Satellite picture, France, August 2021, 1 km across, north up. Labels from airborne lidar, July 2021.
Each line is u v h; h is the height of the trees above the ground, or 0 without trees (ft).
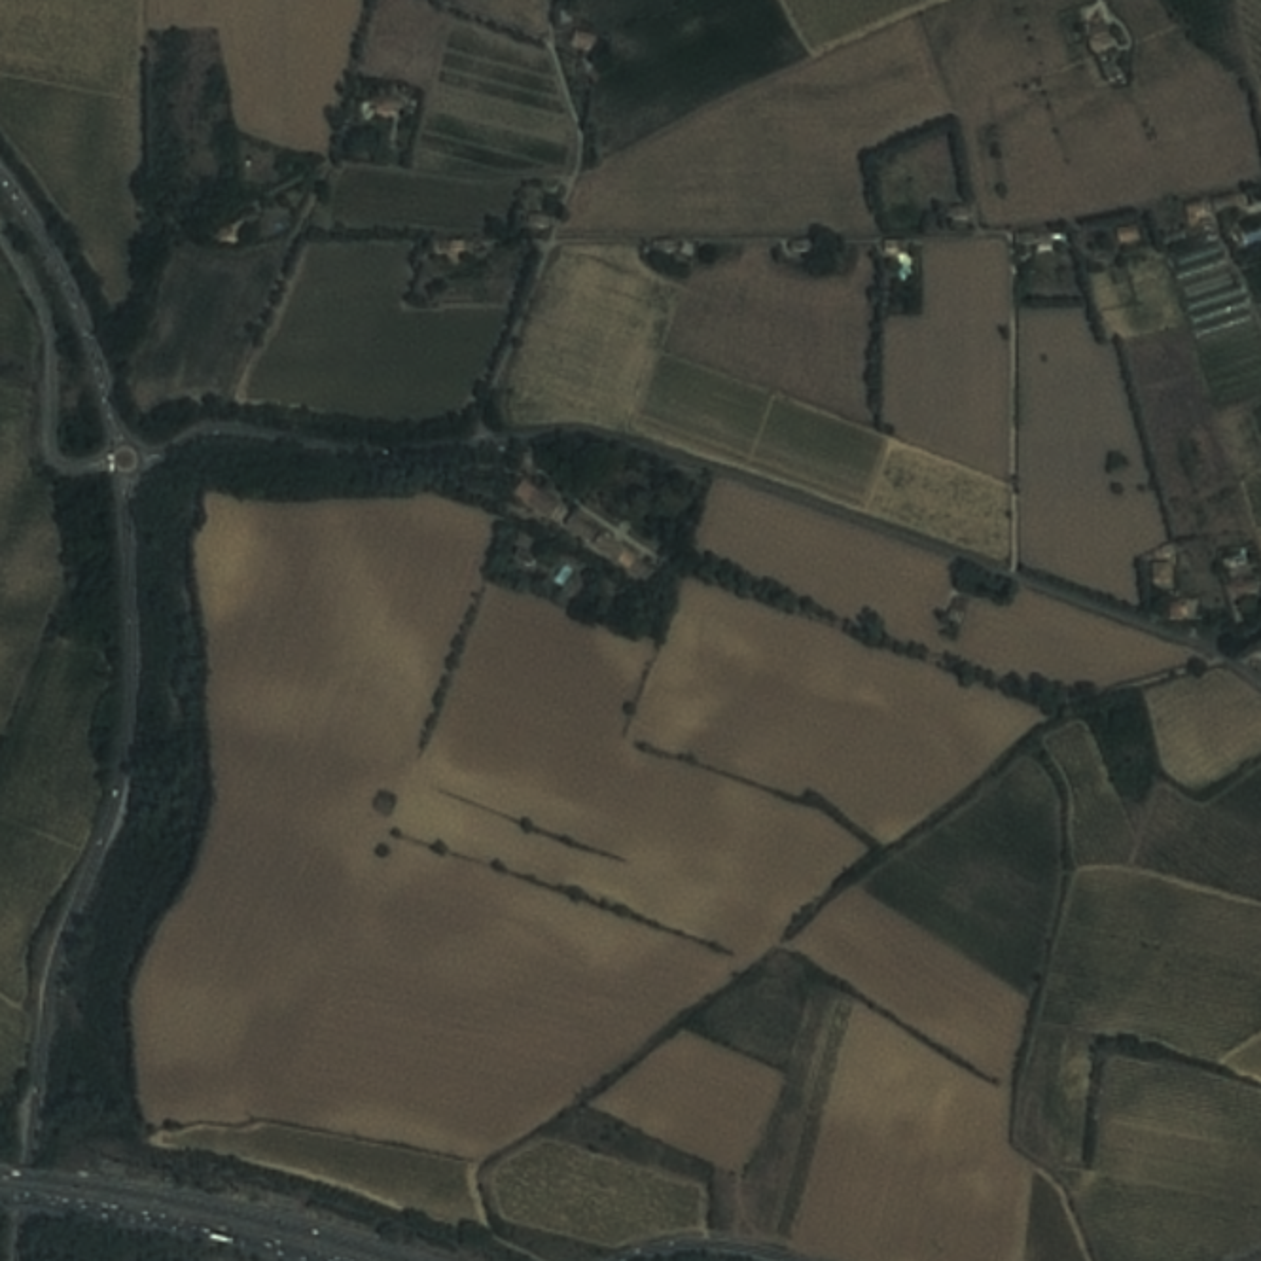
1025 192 0
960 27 0
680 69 0
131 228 0
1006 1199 0
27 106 0
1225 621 33
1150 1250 0
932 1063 0
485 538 0
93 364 0
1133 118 0
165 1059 0
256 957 0
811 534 0
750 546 0
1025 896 0
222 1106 0
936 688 0
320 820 0
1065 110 0
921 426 0
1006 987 0
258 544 0
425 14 0
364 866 0
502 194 0
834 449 0
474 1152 0
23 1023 0
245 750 0
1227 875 0
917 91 0
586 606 46
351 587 0
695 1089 0
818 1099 0
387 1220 31
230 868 0
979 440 0
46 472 23
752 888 0
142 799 30
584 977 0
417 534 0
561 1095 0
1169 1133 0
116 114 0
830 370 0
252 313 0
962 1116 0
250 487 28
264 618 0
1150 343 0
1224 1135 0
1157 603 41
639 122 0
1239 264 24
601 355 0
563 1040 0
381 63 0
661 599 26
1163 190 0
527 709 0
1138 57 0
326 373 0
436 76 0
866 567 0
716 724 0
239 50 0
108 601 75
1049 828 0
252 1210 0
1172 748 0
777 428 0
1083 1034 0
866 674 0
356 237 24
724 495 0
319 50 0
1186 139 0
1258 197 27
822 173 0
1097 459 0
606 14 0
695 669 0
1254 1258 0
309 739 0
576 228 0
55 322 23
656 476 34
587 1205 0
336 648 0
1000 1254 0
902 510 0
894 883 0
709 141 0
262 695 0
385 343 0
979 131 0
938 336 0
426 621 0
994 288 0
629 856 0
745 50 0
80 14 0
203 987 0
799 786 0
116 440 0
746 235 0
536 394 0
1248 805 0
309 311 0
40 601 0
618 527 0
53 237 49
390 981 0
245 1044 0
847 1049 0
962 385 0
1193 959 0
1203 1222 0
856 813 0
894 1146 0
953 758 0
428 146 0
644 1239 0
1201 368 0
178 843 30
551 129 0
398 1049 0
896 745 0
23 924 0
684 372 0
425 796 0
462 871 0
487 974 0
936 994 0
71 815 0
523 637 0
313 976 0
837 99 0
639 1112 0
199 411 55
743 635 0
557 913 0
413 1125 0
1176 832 0
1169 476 0
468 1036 0
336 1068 0
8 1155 52
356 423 40
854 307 0
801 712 0
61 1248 43
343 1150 0
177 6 0
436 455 36
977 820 0
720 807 0
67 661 0
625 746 0
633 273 0
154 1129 26
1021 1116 0
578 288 0
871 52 0
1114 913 0
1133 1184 0
